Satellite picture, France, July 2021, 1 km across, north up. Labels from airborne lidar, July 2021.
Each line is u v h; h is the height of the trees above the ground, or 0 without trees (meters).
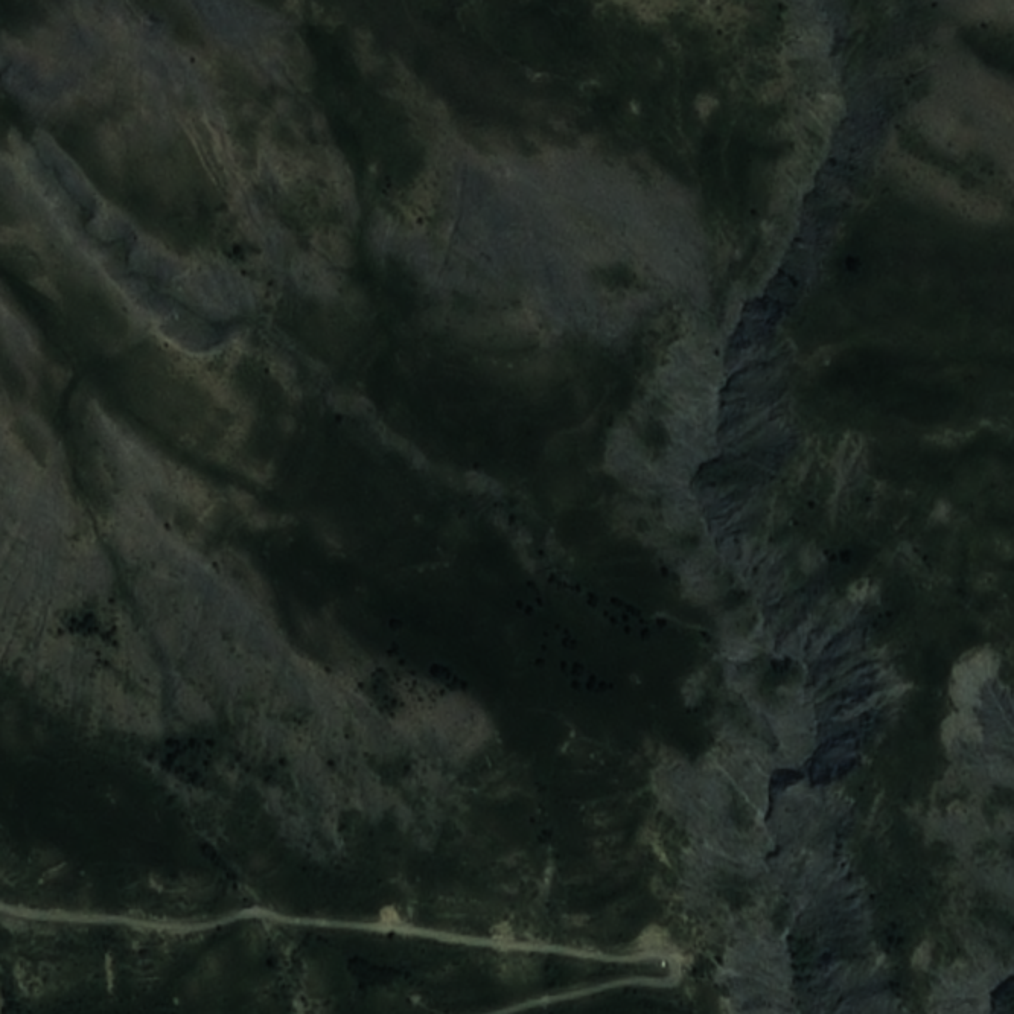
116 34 0
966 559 0
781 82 0
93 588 0
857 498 0
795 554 0
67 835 0
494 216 0
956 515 0
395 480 0
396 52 0
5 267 0
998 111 0
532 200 0
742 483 0
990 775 0
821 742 0
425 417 0
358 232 0
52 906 0
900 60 0
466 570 0
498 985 0
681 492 0
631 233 0
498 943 0
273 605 0
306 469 0
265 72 0
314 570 0
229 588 0
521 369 0
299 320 0
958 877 0
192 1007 0
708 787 0
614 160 0
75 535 0
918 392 0
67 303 0
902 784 0
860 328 0
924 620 0
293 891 0
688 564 0
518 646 0
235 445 0
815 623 0
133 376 0
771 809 0
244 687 0
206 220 0
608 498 0
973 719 0
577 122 0
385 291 0
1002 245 0
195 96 0
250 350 0
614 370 0
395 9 0
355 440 0
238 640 0
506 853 0
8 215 0
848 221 0
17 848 0
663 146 0
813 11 0
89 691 0
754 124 0
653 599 0
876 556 0
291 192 0
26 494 0
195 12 0
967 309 0
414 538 0
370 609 0
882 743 0
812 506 9
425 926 0
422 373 0
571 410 0
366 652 0
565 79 0
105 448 0
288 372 0
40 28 0
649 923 0
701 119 0
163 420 0
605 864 0
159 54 0
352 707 0
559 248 0
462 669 0
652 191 0
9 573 0
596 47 0
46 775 0
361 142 0
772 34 0
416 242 0
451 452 0
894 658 0
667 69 0
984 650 0
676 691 0
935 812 0
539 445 0
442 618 0
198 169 0
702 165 0
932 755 0
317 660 0
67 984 0
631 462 0
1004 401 0
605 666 0
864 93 0
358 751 0
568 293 0
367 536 0
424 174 0
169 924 0
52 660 0
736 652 0
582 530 0
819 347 0
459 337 0
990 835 0
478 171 0
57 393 0
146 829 0
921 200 0
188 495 0
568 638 8
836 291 0
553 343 0
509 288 0
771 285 0
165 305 0
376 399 0
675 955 0
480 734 0
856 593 0
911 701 0
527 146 0
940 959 0
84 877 0
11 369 0
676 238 0
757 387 0
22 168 0
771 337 0
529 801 0
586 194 0
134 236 0
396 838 0
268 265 0
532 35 0
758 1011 0
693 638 0
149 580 0
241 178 0
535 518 0
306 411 0
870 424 0
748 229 0
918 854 0
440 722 0
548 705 0
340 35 0
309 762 0
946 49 0
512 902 0
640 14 0
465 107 0
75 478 0
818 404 0
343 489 0
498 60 0
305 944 8
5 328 0
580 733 0
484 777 0
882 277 0
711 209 0
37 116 0
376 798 0
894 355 0
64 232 0
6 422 0
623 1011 0
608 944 0
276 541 0
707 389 0
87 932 0
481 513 0
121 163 0
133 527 0
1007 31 0
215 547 0
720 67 0
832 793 0
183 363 0
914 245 0
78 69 0
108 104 0
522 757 0
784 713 0
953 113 0
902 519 0
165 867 0
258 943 0
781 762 0
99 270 0
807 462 0
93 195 0
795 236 0
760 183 0
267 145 0
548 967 8
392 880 0
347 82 0
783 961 0
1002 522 0
